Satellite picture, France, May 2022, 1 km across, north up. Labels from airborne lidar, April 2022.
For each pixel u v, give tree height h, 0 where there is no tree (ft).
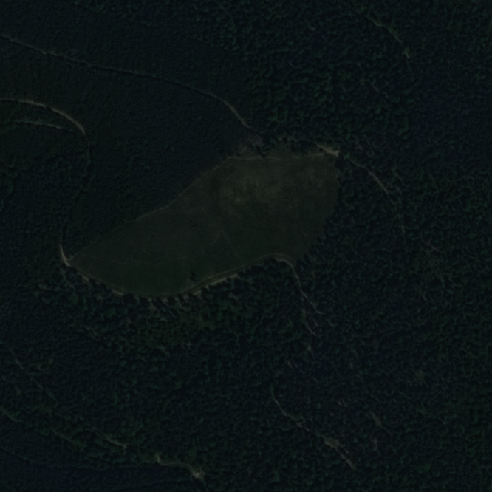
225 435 96
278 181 0
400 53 81
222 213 0
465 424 69
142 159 64
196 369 65
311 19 82
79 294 105
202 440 110
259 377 99
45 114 65
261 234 0
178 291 0
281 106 94
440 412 37
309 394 66
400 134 101
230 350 115
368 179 88
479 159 82
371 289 87
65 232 45
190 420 90
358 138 83
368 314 82
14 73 46
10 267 77
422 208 79
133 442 94
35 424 73
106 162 59
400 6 93
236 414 98
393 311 100
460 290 26
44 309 99
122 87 41
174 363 104
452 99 98
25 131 40
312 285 70
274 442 79
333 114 109
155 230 0
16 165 88
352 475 80
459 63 71
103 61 41
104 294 100
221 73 56
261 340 105
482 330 79
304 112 100
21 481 93
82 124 49
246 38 112
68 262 0
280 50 95
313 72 118
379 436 99
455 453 89
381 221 97
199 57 67
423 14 94
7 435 105
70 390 114
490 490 88
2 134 46
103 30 60
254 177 0
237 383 92
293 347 100
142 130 61
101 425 63
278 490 96
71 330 81
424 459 103
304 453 118
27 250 68
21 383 104
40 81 52
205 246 0
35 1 70
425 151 61
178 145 61
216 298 96
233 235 0
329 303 94
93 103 53
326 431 105
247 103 55
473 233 64
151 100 69
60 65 45
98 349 92
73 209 56
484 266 76
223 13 54
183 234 0
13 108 61
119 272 0
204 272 0
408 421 74
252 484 98
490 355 75
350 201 106
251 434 112
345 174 105
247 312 104
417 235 102
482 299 73
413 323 113
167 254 0
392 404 104
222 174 0
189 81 60
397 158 93
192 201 0
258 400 95
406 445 85
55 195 72
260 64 85
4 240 73
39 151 54
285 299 100
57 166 74
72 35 38
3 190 100
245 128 48
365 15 60
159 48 53
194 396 111
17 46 43
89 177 52
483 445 56
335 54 114
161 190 53
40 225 73
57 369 104
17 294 80
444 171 91
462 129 68
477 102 57
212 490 63
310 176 0
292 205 0
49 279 23
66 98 59
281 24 92
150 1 114
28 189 87
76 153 90
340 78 96
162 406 98
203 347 106
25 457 93
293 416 108
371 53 88
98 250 0
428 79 83
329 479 91
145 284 0
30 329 106
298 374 106
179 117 51
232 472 98
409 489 71
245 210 0
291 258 0
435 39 92
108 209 54
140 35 64
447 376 87
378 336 94
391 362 117
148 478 92
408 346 97
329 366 84
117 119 64
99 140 53
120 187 45
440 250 20
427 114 96
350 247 20
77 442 83
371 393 101
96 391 115
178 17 83
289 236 0
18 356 77
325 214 0
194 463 85
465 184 54
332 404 99
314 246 0
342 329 58
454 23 77
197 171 63
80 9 47
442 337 61
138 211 51
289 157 0
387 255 63
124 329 83
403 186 83
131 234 0
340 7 98
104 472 64
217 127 58
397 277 79
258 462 119
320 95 118
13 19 53
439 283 90
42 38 66
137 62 46
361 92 93
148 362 105
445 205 76
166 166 66
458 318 76
